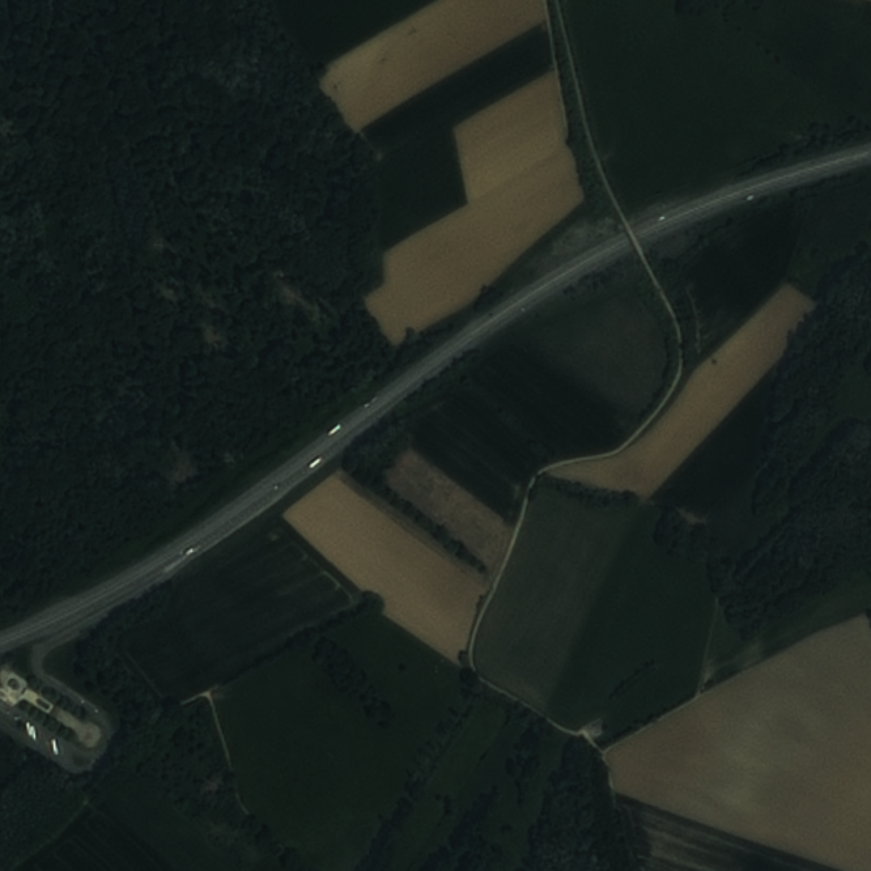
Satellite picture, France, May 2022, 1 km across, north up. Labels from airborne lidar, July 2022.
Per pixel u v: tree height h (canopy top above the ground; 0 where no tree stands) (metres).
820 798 0
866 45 0
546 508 0
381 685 0
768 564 19
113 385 7
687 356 8
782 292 0
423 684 0
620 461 0
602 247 0
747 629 18
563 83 10
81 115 28
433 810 0
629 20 0
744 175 6
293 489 0
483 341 0
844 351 16
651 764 0
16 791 24
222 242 27
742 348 0
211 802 10
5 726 0
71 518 17
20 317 16
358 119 0
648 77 0
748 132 0
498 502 0
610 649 0
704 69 0
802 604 9
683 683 0
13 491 27
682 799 0
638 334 0
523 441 0
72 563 20
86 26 25
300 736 0
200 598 0
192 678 0
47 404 21
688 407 0
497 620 0
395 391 0
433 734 0
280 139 20
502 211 0
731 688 0
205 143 24
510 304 0
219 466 25
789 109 0
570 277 0
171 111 23
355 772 0
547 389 0
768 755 0
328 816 0
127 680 19
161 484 29
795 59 0
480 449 0
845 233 0
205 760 8
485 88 0
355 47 0
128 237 23
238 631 0
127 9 29
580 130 7
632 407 0
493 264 0
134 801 0
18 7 29
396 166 0
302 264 26
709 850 0
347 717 0
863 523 18
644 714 0
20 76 32
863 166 0
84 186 24
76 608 0
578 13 0
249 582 0
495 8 0
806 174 0
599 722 0
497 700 11
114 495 27
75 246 12
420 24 0
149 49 28
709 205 0
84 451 22
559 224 0
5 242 25
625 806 0
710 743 0
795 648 0
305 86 31
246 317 15
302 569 0
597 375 0
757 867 0
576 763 23
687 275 0
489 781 0
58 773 25
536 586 0
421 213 0
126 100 28
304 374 10
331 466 0
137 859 0
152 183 23
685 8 18
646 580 0
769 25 0
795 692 0
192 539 0
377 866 27
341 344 29
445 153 0
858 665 0
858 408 0
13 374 20
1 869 21
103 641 21
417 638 0
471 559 7
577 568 0
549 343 0
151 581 0
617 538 0
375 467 18
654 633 0
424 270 0
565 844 27
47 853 0
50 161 21
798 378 22
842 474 14
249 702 0
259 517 0
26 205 26
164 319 30
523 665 0
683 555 10
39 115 22
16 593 27
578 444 0
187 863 0
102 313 23
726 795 0
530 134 0
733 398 0
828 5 0
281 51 20
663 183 0
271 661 9
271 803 0
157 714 20
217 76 31
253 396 21
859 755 0
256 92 26
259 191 28
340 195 32
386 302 0
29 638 0
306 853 0
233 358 21
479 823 24
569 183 0
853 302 26
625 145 0
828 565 14
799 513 18
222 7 31
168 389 27
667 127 0
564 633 0
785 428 21
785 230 0
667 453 0
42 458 27
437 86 0
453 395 0
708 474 0
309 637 17
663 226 0
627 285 0
